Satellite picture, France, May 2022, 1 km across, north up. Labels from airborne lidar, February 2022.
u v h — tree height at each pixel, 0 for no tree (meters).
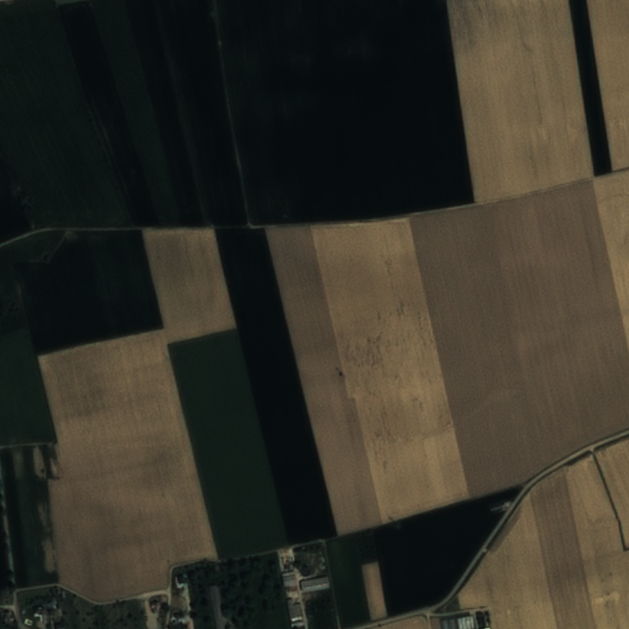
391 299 0
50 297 0
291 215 0
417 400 0
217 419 0
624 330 0
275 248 0
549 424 0
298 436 0
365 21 0
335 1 0
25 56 0
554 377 0
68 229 0
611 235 0
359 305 0
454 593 0
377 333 0
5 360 0
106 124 0
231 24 0
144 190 0
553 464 0
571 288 0
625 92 0
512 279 0
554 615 0
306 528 0
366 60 0
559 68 0
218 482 0
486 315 0
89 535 0
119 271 0
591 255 0
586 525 0
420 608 0
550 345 0
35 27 0
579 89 0
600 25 0
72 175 0
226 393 0
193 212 0
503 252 0
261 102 0
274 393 0
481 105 0
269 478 0
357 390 0
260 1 0
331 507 0
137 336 0
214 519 0
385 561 0
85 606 0
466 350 0
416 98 0
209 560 0
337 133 0
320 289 0
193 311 0
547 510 0
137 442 0
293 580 0
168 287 0
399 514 0
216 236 0
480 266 0
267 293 0
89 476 0
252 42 0
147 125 0
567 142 0
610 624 0
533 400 0
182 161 0
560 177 0
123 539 0
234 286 0
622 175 0
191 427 0
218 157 0
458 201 0
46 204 0
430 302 0
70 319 0
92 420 0
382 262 0
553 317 0
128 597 0
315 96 0
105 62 0
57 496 0
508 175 0
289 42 0
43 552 0
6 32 0
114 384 0
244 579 15
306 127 0
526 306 0
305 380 0
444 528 0
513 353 0
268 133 0
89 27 0
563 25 0
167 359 0
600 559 0
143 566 0
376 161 0
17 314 0
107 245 0
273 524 0
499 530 0
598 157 0
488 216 0
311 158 0
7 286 0
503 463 0
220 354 0
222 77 0
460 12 0
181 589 0
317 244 0
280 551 0
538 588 0
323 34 0
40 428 0
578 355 0
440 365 0
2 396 0
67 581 0
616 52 0
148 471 0
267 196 0
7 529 0
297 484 0
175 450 0
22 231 0
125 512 0
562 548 0
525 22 0
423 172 0
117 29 0
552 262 0
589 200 0
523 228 0
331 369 0
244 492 0
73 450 0
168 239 0
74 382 0
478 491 0
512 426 0
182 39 0
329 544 0
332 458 0
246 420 0
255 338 0
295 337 0
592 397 0
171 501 0
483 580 0
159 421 0
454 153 0
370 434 0
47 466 0
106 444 0
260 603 0
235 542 0
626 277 0
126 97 0
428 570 0
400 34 0
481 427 0
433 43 0
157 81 0
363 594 0
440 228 0
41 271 0
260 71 0
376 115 0
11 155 0
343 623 0
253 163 0
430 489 0
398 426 0
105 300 0
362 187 0
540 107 0
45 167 0
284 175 0
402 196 0
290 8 0
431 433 0
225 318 0
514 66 0
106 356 0
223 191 0
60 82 0
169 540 0
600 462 0
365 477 0
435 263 0
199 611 0
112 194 0
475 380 0
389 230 0
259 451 0
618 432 0
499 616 0
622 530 0
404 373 0
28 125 0
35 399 0
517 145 0
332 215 0
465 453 0
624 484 0
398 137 0
